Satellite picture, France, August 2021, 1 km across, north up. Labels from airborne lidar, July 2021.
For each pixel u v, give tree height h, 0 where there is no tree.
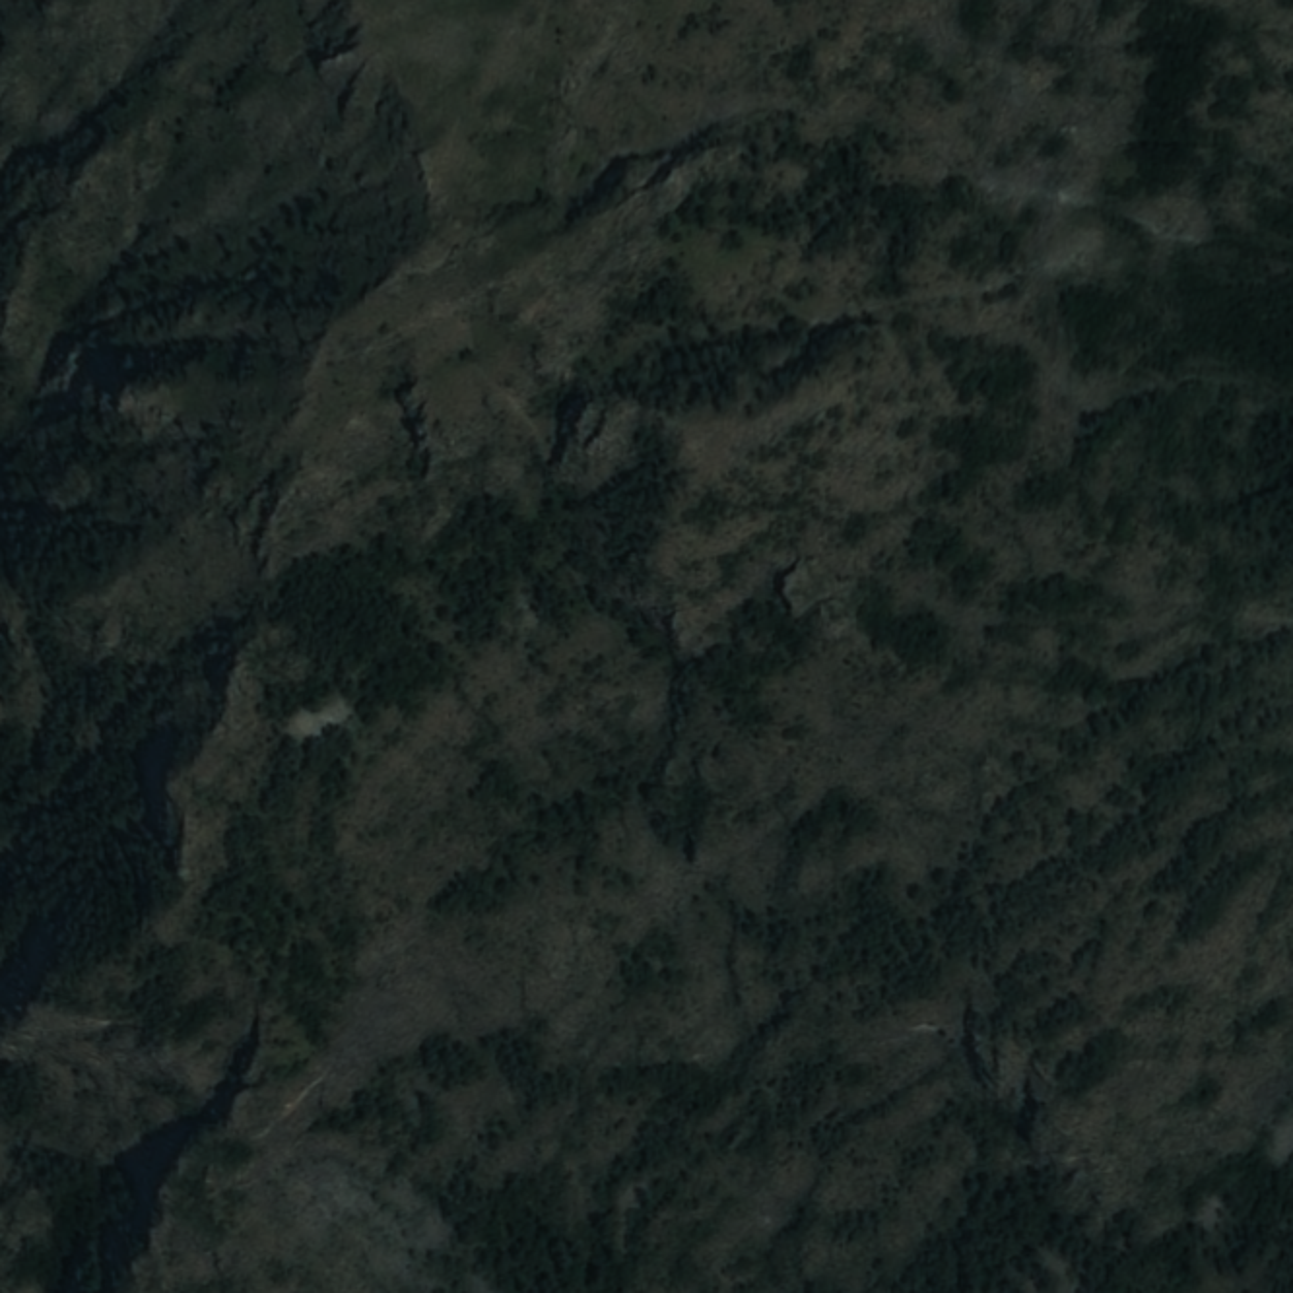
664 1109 12
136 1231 7
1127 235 7
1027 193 6
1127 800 24
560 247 0
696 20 11
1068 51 6
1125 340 9
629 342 0
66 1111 6
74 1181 31
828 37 14
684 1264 15
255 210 0
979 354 6
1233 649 6
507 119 0
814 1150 9
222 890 24
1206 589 11
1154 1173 9
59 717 29
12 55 0
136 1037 6
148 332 7
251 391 0
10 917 30
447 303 0
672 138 0
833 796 10
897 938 7
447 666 8
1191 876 31
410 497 10
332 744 27
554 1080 23
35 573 22
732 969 7
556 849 25
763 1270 7
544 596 24
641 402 15
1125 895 6
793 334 7
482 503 13
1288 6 8
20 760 26
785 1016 7
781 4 16
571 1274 19
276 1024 10
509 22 0
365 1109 29
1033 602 12
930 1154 18
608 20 0
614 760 9
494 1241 9
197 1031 10
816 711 0
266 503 11
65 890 30
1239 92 11
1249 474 7
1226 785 7
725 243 7
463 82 0
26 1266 13
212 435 15
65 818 31
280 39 0
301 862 7
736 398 16
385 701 24
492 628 13
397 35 0
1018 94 0
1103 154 0
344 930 7
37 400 8
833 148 6
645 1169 20
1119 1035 10
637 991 18
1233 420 6
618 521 21
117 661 14
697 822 10
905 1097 17
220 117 0
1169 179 7
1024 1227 23
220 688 8
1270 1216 8
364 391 0
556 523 10
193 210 0
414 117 0
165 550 0
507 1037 28
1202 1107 6
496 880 7
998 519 6
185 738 10
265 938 22
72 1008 7
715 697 7
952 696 9
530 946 6
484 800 8
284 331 0
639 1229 8
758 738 9
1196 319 8
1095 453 13
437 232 0
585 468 6
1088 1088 6
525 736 6
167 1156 8
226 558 0
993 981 5
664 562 0
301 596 25
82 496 12
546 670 18
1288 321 9
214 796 6
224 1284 6
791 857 6
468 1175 23
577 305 0
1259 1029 7
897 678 7
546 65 0
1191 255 8
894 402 7
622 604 30
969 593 10
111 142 13
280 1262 8
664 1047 6
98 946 20
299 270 11
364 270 0
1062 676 10
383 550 24
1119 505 14
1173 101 13
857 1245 14
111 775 22
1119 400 6
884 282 8
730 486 7
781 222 22
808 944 6
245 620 7
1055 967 16
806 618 7
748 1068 6
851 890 7
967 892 24
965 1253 34
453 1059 27
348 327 0
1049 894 17
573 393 7
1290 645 19
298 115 0
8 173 9
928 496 10
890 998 22
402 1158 10
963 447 7
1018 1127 8
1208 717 20
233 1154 8
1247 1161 11
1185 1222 7
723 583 6
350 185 0
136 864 21
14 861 10
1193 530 13
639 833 0
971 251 6
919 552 21
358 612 26
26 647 10
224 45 0
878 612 10
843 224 23
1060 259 0
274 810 19
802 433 7
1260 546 7
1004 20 6
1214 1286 0
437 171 0
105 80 8
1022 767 20
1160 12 13
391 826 8
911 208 21
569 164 0
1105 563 6
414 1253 14
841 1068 9
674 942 8
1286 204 6
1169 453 11
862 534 7
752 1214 7
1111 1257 17
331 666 20
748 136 6
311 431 0
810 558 7
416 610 11
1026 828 17
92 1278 18
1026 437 7
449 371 0
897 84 8
